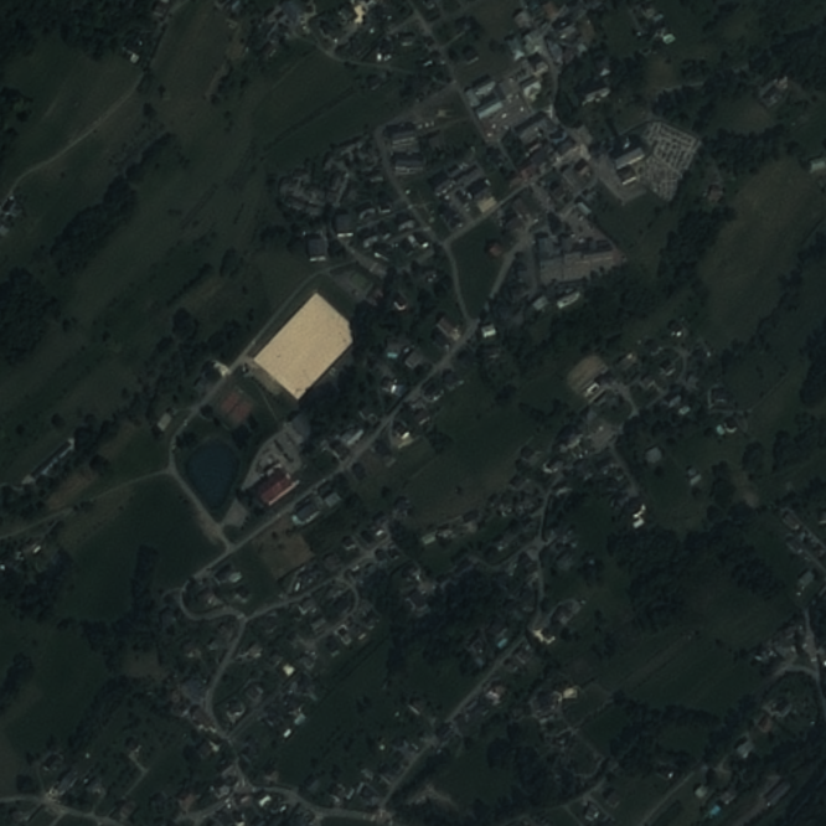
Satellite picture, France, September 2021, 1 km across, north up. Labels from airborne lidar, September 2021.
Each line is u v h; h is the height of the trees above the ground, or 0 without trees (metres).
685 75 11
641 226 0
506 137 7
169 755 0
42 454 0
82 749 10
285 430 0
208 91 0
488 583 14
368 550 0
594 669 0
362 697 0
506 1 0
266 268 0
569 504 10
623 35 0
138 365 0
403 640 16
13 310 22
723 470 16
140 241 0
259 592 0
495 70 0
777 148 24
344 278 0
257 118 0
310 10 6
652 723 19
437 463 0
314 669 0
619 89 16
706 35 7
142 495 0
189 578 0
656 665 0
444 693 0
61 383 0
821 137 0
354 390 15
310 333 0
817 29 8
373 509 0
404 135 0
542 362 15
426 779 13
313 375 0
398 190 0
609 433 0
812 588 0
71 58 0
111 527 0
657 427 8
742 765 10
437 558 0
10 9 19
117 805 7
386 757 0
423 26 0
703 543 23
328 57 0
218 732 0
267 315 0
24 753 0
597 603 0
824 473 0
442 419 0
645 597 23
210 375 15
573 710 0
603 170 0
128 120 0
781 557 0
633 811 0
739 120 0
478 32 20
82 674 0
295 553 0
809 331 0
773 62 20
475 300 0
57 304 16
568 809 0
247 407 0
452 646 22
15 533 0
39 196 0
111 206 21
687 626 0
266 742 0
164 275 0
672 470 0
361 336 22
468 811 0
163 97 10
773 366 0
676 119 15
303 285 0
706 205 8
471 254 0
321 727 0
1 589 19
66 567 25
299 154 0
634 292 14
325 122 0
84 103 0
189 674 7
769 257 0
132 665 0
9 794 0
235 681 7
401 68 0
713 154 11
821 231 0
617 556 18
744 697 0
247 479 0
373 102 0
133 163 7
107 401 0
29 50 28
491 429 0
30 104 7
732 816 0
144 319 0
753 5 9
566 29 0
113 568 0
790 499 8
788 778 12
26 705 0
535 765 23
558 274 0
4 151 21
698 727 11
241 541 0
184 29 0
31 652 0
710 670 0
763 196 0
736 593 0
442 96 0
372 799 0
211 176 0
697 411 13
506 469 0
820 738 15
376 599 19
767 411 0
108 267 0
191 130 0
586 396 0
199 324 12
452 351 0
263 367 0
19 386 0
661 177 0
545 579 0
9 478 0
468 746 13
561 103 8
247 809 0
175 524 0
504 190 0
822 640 21
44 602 26
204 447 0
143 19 16
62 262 24
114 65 0
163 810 7
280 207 12
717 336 0
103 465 7
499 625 0
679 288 13
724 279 0
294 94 0
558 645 0
